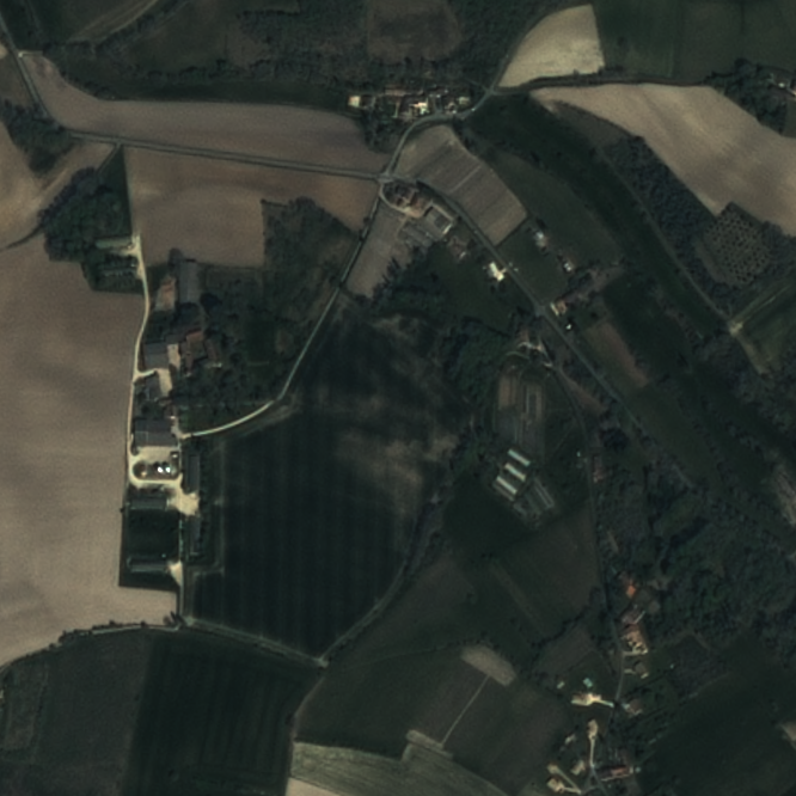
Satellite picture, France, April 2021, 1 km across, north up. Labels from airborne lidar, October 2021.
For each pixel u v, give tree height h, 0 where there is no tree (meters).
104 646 0
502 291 11
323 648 0
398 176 0
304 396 0
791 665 16
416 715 0
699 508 19
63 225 18
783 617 9
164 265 0
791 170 0
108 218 14
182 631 12
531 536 0
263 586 0
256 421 0
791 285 0
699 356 15
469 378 18
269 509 0
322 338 0
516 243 0
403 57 0
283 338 0
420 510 0
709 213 6
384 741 0
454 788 0
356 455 0
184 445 10
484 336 23
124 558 0
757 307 0
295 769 0
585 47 0
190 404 19
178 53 0
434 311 21
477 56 14
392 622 0
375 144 8
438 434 0
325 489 0
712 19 0
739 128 0
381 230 0
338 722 0
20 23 0
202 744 0
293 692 0
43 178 0
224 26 0
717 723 0
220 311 29
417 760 0
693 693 9
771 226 14
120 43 16
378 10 0
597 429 11
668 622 10
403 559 0
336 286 11
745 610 18
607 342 0
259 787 0
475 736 0
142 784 0
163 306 0
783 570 18
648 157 6
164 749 0
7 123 17
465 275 0
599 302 21
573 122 0
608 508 10
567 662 0
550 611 0
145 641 0
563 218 0
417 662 0
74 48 14
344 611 0
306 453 0
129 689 0
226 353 15
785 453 0
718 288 10
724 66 0
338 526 0
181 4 13
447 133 0
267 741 0
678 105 0
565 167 0
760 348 0
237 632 0
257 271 0
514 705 0
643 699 9
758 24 0
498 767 0
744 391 27
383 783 0
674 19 0
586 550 0
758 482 0
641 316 0
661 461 13
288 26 19
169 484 0
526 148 0
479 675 0
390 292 14
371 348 0
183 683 0
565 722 0
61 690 0
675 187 7
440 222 0
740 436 11
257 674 0
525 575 0
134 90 0
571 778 0
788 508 0
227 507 0
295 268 10
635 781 0
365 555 0
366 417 0
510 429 0
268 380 0
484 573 0
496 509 0
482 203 0
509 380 0
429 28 0
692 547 23
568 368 12
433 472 0
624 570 7
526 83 0
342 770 0
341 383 0
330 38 15
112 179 0
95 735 0
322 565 0
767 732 0
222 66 13
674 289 0
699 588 19
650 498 9
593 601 12
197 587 0
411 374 0
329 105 0
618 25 0
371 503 0
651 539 6
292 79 22
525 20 20
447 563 0
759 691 0
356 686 0
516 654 0
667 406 0
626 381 0
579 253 0
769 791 0
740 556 13
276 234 9
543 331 20
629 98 0
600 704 0
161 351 0
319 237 0
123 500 0
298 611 0
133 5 0
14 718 0
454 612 0
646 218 12
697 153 0
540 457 0
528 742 0
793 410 7
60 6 0
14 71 0
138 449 0
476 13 17
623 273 0
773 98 10
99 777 0
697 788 0
